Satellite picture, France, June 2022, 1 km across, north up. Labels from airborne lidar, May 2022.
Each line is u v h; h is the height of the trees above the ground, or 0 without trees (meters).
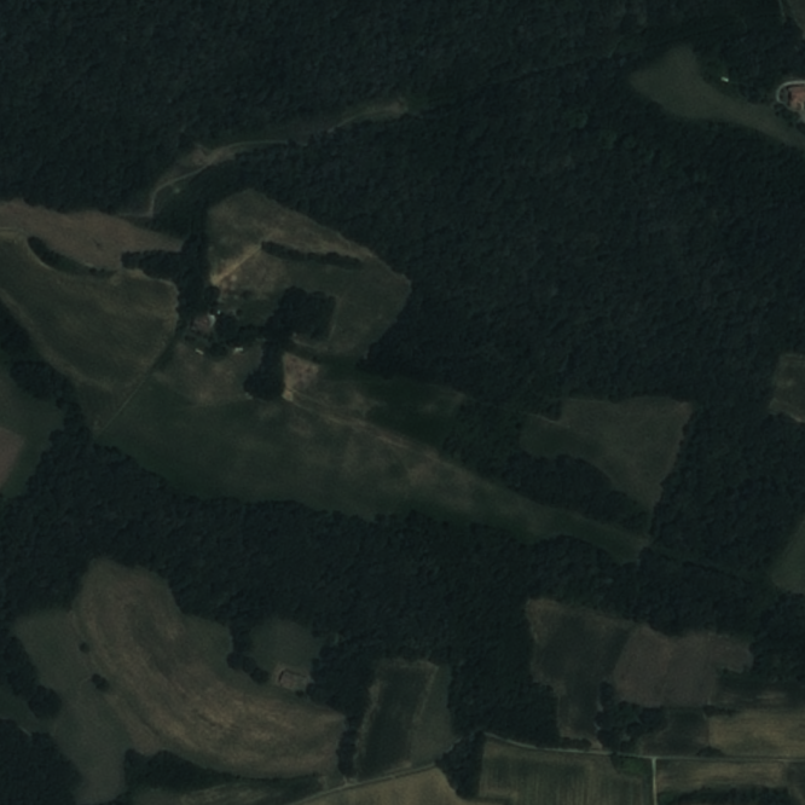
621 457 0
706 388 21
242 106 18
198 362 0
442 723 0
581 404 0
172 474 0
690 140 13
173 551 22
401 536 10
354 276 0
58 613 0
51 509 23
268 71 10
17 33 15
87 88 11
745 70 14
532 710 15
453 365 24
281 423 0
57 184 17
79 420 8
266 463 0
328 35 13
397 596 24
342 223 15
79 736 0
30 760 20
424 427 0
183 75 13
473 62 23
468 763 17
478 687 15
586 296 19
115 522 20
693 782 0
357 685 22
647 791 0
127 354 0
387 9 13
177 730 0
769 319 20
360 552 22
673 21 25
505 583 11
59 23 16
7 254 0
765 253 28
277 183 7
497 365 18
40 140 17
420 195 16
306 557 21
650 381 21
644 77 0
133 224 0
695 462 20
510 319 14
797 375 0
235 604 22
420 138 19
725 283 19
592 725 0
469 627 11
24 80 10
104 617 0
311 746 0
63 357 0
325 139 13
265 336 20
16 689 16
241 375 0
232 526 18
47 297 0
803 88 0
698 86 0
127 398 0
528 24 15
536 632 0
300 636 0
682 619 27
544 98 21
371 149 13
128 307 0
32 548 16
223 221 0
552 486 20
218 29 24
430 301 15
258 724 0
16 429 0
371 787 0
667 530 19
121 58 16
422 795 0
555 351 29
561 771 0
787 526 13
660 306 14
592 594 14
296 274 0
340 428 0
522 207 14
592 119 23
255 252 0
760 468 27
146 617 0
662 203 13
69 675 0
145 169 12
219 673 0
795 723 0
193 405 0
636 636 0
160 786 8
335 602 27
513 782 0
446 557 8
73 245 0
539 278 19
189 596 27
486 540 10
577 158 14
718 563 23
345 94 16
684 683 0
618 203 22
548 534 0
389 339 18
